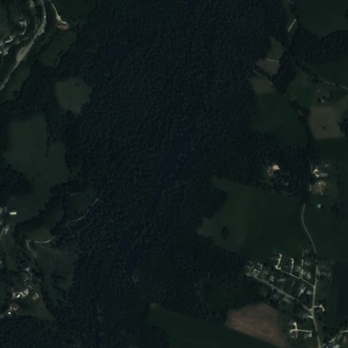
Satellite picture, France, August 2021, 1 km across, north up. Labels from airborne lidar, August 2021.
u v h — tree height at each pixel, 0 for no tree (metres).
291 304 0
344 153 0
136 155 21
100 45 20
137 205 24
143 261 8
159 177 23
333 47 13
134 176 24
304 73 0
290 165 18
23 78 0
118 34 26
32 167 0
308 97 0
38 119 0
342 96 0
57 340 26
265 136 11
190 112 21
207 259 19
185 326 0
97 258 21
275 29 25
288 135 0
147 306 12
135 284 14
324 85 0
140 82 23
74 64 18
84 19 0
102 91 30
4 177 30
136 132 23
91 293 20
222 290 0
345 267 0
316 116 0
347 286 0
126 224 27
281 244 0
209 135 14
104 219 15
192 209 14
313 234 0
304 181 13
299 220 0
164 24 18
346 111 0
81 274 21
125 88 16
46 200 0
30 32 15
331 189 0
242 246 0
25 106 34
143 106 25
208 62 21
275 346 0
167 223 22
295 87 0
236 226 0
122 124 26
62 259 0
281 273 9
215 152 18
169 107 15
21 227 20
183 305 19
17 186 32
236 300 6
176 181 11
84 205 0
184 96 14
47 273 0
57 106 29
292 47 23
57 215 0
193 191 11
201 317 6
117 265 16
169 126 21
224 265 19
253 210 0
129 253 14
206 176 17
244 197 0
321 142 0
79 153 17
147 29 23
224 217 0
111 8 33
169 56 25
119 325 14
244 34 23
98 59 29
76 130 26
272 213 0
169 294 15
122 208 23
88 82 18
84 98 0
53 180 0
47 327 24
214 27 14
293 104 16
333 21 0
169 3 23
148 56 22
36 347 20
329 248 0
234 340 0
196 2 35
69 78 13
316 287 0
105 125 29
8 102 16
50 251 0
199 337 0
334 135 0
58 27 8
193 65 20
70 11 0
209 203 16
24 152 0
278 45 0
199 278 27
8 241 0
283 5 15
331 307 0
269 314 0
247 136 24
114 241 15
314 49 14
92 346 31
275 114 0
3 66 9
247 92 15
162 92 17
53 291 0
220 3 17
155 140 13
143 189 23
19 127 0
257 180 17
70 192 21
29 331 26
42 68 20
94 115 31
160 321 0
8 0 14
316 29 0
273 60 0
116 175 15
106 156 25
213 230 0
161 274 17
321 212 0
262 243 0
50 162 0
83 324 21
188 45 18
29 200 0
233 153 24
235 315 0
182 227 15
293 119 0
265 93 0
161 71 26
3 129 29
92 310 10
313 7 0
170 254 23
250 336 0
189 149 7
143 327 19
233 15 14
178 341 0
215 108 18
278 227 0
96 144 12
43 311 0
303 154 15
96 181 13
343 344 0
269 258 0
